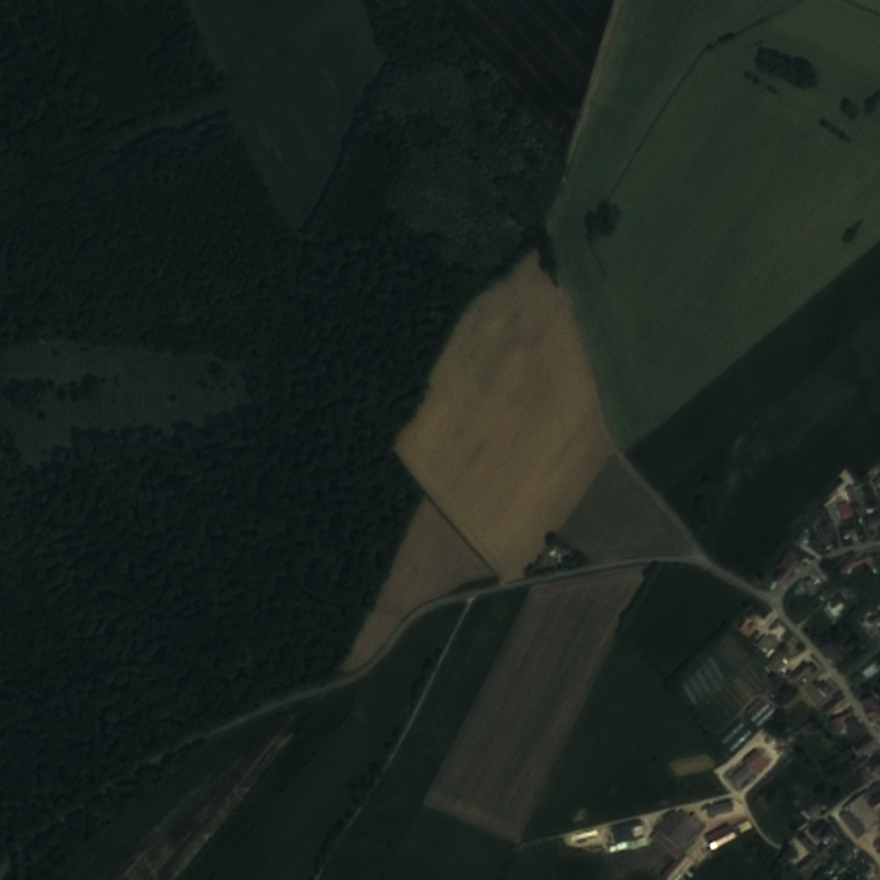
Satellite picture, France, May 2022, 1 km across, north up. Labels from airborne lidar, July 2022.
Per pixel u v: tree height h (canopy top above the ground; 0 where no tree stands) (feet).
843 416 0
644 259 0
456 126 70
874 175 0
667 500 0
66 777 90
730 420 0
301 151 0
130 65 39
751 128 0
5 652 52
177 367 0
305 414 73
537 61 0
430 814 0
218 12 0
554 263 56
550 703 0
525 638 0
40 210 61
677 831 0
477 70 65
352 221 33
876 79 0
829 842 0
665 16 0
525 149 79
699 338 0
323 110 0
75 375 0
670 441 0
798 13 0
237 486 87
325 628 87
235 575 79
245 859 0
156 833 0
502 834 0
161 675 79
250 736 0
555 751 0
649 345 0
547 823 0
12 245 52
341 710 0
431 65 67
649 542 0
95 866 0
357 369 76
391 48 63
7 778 93
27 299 82
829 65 0
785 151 0
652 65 0
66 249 73
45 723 78
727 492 0
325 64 0
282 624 78
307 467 78
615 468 0
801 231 0
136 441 67
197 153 64
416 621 0
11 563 75
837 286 0
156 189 56
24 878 61
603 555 0
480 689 0
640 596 28
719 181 0
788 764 0
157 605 83
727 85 0
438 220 79
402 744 0
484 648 0
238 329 64
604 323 0
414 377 80
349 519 85
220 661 77
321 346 70
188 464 67
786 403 0
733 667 0
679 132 0
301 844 0
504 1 0
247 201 61
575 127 0
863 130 0
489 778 0
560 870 0
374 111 77
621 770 0
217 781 0
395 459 62
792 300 0
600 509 0
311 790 0
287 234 51
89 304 52
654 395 0
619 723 0
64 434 0
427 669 43
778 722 28
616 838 0
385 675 0
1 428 79
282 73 0
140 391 0
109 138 35
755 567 0
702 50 0
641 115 0
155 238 54
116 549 64
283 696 55
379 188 38
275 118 0
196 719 71
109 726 83
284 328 71
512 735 0
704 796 0
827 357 0
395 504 73
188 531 88
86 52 44
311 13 0
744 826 0
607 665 0
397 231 36
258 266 55
